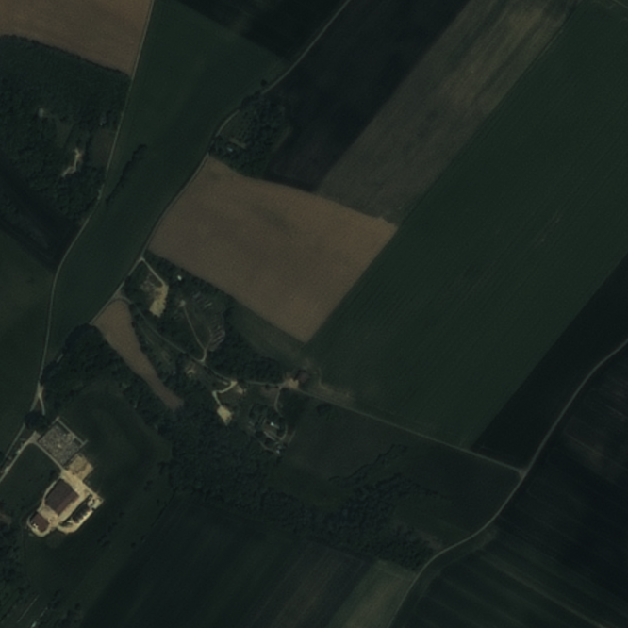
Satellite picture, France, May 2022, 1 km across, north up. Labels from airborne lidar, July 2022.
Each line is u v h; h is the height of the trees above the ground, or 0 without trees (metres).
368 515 18
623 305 0
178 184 0
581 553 0
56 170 9
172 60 0
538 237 0
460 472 0
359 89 0
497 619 0
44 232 0
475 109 0
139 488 0
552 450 0
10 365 0
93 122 14
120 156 0
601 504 0
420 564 12
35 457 0
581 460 0
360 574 0
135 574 0
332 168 0
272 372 14
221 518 0
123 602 0
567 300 0
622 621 0
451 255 0
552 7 0
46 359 0
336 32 0
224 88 0
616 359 0
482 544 0
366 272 0
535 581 0
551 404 0
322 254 0
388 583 0
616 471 0
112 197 8
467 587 0
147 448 0
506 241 0
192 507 0
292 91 0
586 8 0
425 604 0
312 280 0
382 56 0
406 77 0
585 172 0
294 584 0
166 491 0
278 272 0
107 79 19
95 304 0
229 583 0
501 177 0
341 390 0
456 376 0
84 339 21
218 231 0
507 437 0
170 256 0
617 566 0
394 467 0
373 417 0
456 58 0
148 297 0
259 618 0
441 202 0
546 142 0
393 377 0
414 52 0
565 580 0
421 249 0
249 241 0
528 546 0
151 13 0
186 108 0
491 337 0
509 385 0
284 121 15
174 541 0
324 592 0
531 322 0
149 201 0
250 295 0
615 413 0
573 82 0
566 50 0
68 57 17
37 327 0
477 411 0
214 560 0
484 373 0
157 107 0
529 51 0
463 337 0
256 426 7
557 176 0
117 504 0
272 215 0
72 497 0
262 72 0
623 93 0
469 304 0
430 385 0
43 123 15
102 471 0
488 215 0
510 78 0
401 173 0
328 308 0
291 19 0
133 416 0
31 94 19
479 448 0
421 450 0
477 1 0
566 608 0
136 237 0
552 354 0
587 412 0
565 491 0
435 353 0
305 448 0
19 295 0
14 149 17
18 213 20
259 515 15
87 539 0
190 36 0
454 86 0
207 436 23
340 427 0
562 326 0
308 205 0
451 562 0
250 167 22
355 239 0
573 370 0
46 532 0
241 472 26
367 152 0
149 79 0
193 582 0
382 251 0
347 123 0
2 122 20
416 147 0
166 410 26
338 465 0
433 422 0
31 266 0
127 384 17
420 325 0
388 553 9
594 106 0
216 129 0
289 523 15
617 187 0
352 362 0
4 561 17
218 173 0
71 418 0
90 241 0
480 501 0
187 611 0
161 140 0
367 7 0
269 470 18
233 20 0
